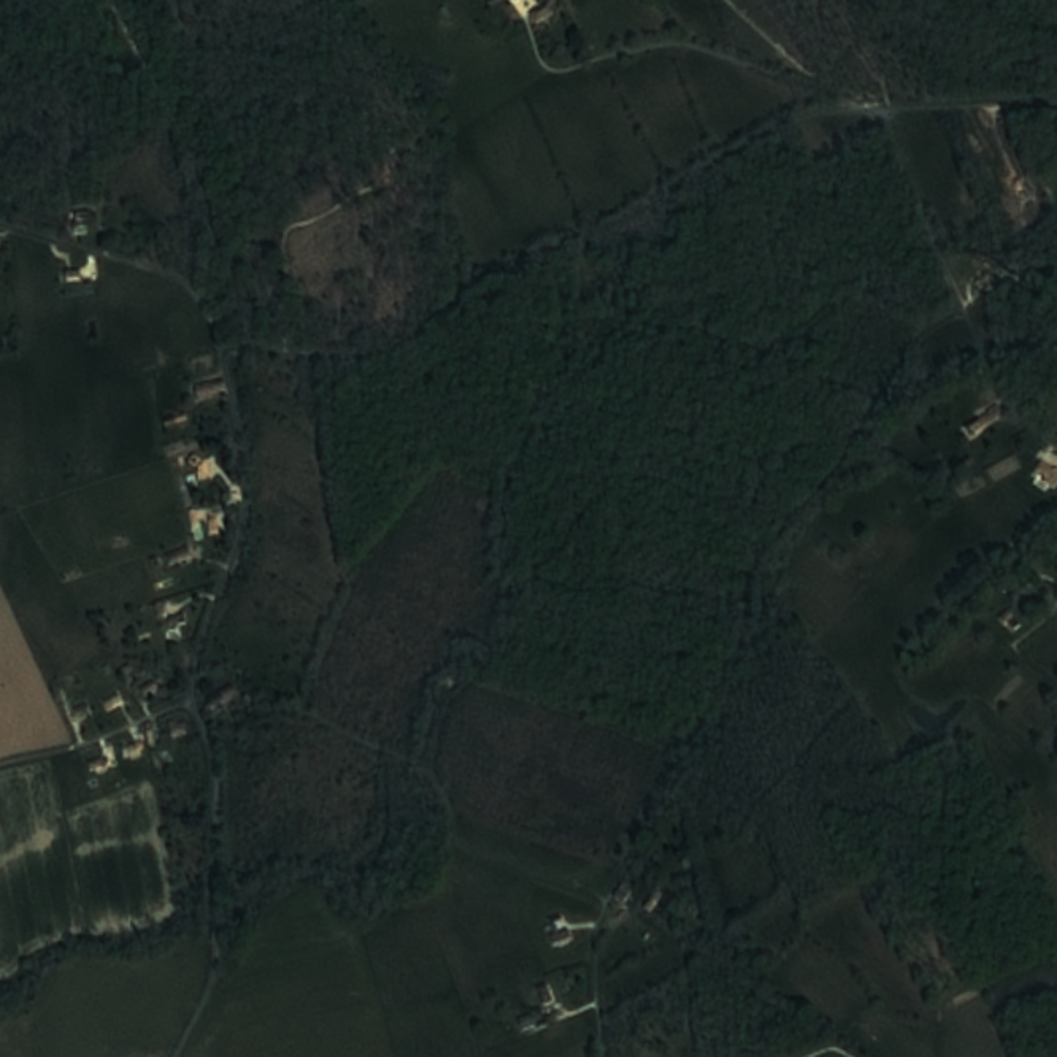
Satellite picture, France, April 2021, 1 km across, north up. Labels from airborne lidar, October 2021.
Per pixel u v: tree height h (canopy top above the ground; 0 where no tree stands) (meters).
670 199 21
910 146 0
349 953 0
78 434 0
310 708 8
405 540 7
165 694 13
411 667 6
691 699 31
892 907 22
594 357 15
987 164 16
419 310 20
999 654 0
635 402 23
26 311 0
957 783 31
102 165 24
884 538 0
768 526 28
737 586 23
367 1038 0
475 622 7
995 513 0
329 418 23
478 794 7
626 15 0
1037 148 27
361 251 0
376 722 10
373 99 16
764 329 24
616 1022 14
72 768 0
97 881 0
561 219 0
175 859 8
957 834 30
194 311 0
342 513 20
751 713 26
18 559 0
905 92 16
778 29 0
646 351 24
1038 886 25
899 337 13
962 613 21
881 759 24
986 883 24
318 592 0
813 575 0
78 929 0
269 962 0
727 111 0
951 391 20
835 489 13
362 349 17
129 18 27
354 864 16
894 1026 0
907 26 24
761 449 26
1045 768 0
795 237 30
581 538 30
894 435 19
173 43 26
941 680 0
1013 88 17
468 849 0
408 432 24
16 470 0
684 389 20
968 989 19
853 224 28
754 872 0
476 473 24
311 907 0
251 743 12
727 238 31
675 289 24
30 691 0
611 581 17
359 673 7
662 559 17
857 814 20
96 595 0
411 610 6
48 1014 0
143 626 9
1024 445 11
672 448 29
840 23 18
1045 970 10
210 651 9
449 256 14
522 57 0
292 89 20
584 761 6
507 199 0
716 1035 15
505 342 28
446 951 0
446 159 13
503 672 21
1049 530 23
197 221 19
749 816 28
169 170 7
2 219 14
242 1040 0
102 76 27
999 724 0
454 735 7
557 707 15
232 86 22
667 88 0
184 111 25
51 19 27
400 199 8
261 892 18
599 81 0
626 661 31
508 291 29
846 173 26
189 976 0
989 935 27
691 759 23
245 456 16
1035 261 16
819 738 25
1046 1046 26
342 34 20
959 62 24
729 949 22
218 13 19
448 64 0
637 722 18
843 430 25
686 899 16
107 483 0
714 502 26
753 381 27
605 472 31
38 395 0
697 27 0
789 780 27
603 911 0
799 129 21
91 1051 0
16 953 0
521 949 0
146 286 0
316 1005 0
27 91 18
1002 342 23
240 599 0
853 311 12
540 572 19
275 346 24
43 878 0
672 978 8
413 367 28
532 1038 0
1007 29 27
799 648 17
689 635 26
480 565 10
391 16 0
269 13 18
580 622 29
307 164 12
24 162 20
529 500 23
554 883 0
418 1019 0
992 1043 0
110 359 0
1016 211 0
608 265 21
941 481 22
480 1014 0
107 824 0
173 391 0
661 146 0
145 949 23
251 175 23
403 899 17
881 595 0
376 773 9
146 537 0
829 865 21
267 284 22
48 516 0
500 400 24
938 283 28
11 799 0
